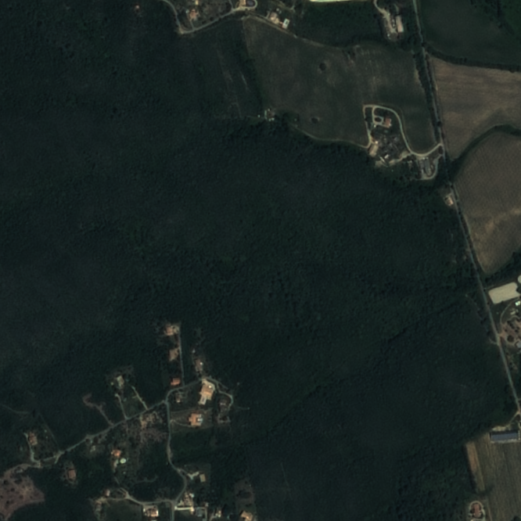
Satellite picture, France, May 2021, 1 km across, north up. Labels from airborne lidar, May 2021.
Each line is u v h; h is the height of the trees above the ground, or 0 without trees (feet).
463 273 43
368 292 33
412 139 0
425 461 40
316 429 25
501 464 0
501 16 59
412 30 43
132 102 37
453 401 23
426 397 19
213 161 22
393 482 20
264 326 25
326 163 24
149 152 29
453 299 38
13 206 32
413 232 20
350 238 23
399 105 0
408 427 20
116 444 21
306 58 0
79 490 22
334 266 50
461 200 0
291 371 21
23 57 34
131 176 19
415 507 22
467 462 42
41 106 31
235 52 25
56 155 20
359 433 18
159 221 25
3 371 25
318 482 21
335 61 0
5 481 31
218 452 22
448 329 25
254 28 0
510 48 0
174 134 20
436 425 19
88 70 26
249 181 18
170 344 23
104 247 25
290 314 32
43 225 23
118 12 20
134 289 50
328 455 18
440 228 0
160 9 19
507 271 24
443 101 0
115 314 32
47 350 18
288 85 0
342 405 20
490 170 0
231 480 20
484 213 0
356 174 21
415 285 51
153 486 18
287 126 57
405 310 20
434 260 23
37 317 20
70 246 23
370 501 24
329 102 0
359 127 0
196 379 31
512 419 0
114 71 42
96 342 38
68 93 28
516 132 23
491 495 0
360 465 26
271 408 24
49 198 42
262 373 20
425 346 25
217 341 19
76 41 24
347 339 19
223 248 20
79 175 31
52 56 27
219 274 54
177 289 28
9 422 21
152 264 32
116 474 26
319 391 42
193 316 29
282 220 38
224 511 39
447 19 0
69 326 37
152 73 17
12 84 22
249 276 47
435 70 0
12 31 28
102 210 29
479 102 0
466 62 29
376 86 0
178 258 45
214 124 20
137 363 17
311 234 27
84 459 22
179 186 37
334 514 17
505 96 0
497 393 22
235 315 26
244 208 28
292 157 27
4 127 18
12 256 21
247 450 20
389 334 21
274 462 18
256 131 59
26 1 38
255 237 27
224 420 29
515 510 0
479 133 0
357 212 19
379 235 19
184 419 0
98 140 19
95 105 34
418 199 34
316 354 28
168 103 39
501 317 0
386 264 18
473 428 24
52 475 32
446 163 26
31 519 20
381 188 32
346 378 26
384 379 26
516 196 0
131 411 0
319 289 21
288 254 37
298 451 18
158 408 22
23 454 0
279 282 25
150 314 20
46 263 22
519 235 0
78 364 26
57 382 30
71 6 23
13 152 17
